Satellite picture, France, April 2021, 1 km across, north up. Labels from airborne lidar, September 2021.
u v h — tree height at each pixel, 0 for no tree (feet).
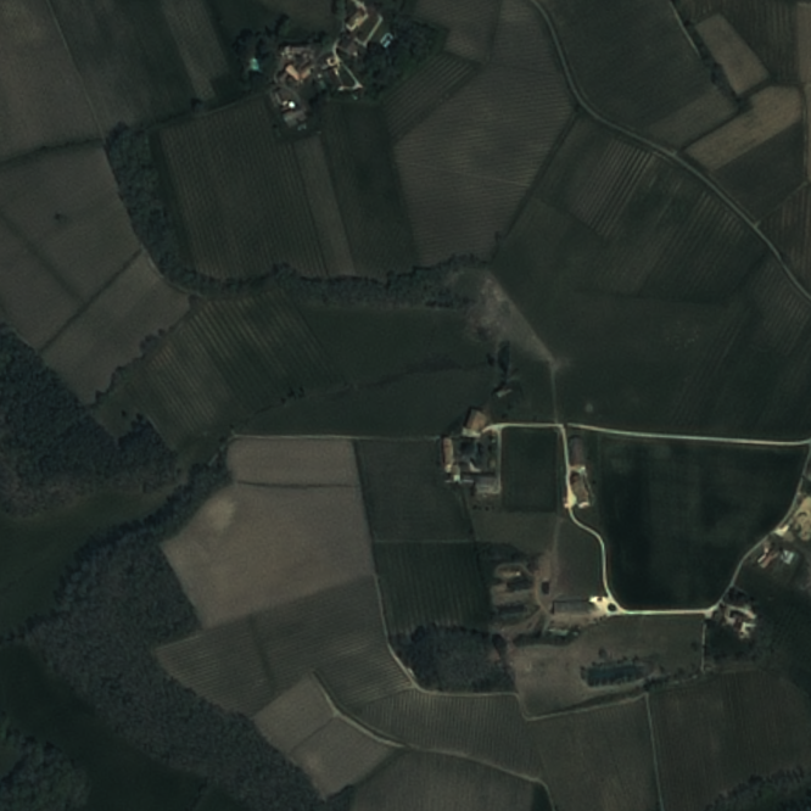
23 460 49
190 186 0
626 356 0
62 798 65
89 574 49
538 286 0
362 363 0
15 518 39
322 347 0
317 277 0
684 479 0
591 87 0
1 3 0
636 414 0
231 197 0
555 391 0
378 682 0
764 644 52
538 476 0
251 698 0
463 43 0
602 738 0
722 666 52
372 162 0
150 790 0
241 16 0
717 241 0
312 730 0
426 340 0
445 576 0
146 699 68
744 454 0
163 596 69
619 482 0
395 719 0
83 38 0
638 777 0
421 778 0
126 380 43
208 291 51
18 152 0
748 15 0
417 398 0
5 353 77
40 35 0
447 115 0
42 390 74
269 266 0
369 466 0
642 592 0
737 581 0
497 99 0
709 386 0
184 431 0
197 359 0
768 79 0
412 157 0
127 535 51
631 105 0
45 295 0
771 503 0
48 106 0
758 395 0
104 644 80
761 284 0
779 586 0
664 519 0
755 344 0
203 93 0
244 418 0
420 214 0
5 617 0
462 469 31
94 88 0
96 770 0
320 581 0
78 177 0
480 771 0
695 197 0
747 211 0
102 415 0
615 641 0
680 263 0
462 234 0
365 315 0
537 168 0
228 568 0
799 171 0
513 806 0
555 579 0
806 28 0
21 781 63
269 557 0
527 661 0
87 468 61
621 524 0
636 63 0
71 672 66
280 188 0
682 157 0
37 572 0
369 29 0
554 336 0
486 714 0
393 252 0
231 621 0
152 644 46
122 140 61
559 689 0
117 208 0
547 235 0
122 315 0
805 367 0
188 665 0
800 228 0
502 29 0
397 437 0
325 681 0
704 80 0
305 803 79
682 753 0
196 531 0
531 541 0
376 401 0
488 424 0
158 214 43
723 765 0
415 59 45
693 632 0
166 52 0
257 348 0
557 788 0
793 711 0
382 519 0
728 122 0
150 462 64
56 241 0
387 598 0
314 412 0
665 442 0
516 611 0
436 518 0
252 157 0
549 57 0
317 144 0
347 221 0
